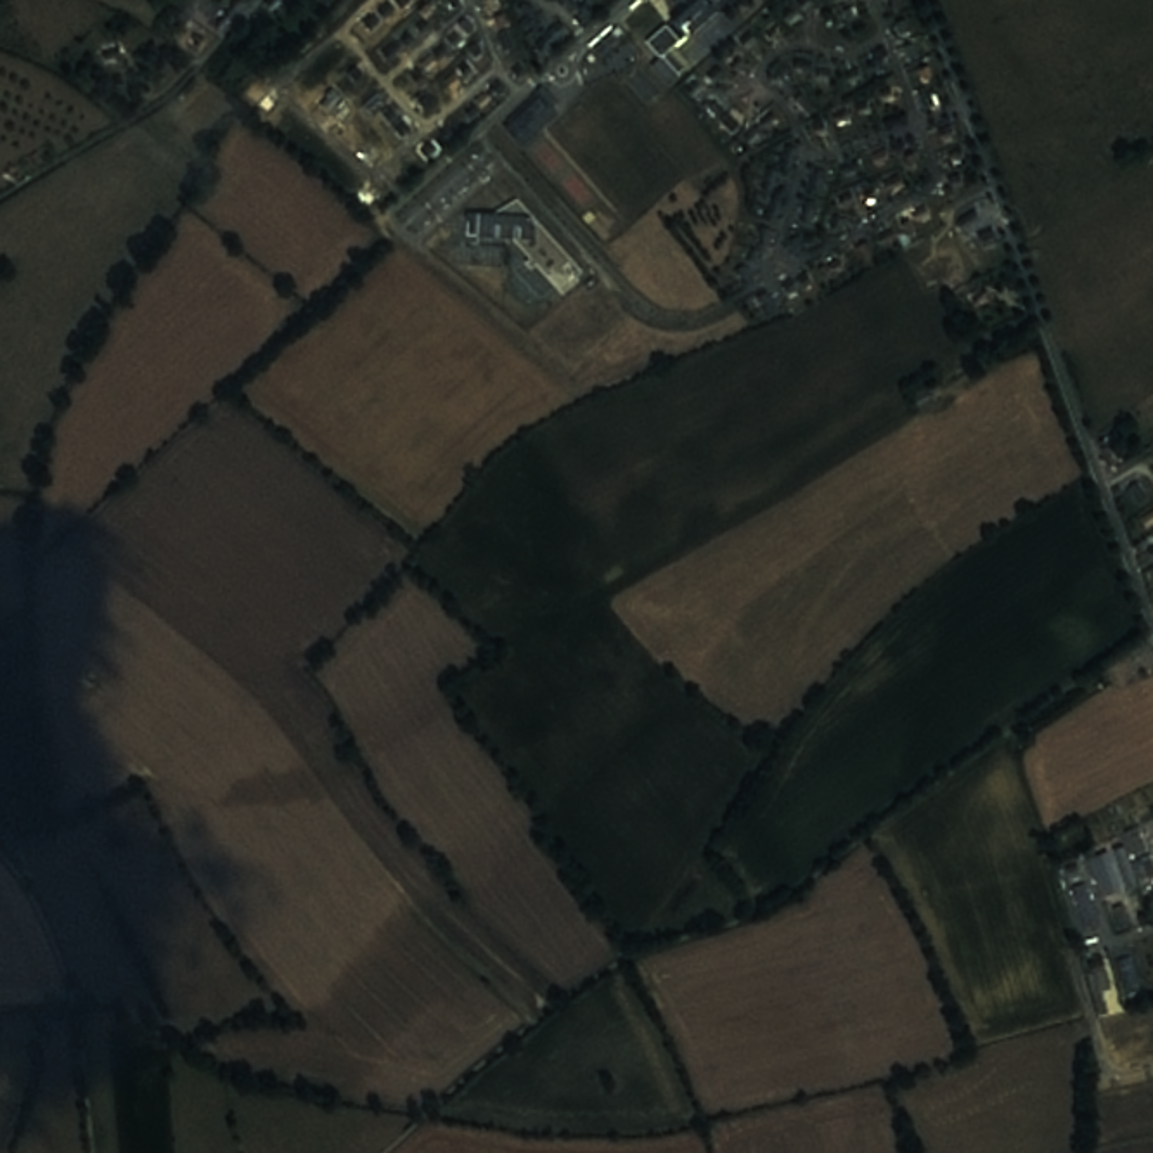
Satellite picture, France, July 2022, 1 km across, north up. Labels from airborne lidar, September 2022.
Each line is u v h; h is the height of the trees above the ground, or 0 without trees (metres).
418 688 0
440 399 0
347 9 0
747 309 10
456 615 17
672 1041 9
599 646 0
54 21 0
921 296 0
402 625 0
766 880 0
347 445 0
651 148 0
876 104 6
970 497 0
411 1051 0
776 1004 0
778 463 0
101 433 0
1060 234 0
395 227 0
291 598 0
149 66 19
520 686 0
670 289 0
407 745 0
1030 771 0
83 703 0
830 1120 0
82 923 0
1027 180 0
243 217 0
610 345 0
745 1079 0
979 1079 0
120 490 12
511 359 0
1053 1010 0
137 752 0
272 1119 0
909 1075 18
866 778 0
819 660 0
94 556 0
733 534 0
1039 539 0
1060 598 0
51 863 0
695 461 0
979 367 16
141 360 0
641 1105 0
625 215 0
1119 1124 0
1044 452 0
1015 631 0
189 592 0
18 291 0
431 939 0
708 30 0
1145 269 0
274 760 0
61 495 0
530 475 0
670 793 0
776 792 0
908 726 0
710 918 15
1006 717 0
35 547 12
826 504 0
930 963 11
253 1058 0
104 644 0
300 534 0
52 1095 0
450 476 0
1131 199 0
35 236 0
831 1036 0
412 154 0
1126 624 0
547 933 0
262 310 0
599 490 0
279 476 0
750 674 0
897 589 0
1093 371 0
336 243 0
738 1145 0
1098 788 0
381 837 0
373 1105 15
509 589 0
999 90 0
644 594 0
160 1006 10
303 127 0
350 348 0
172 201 0
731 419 0
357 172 0
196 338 0
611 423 0
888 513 0
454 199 0
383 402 0
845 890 0
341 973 0
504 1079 0
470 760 0
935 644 0
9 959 0
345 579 0
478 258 0
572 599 0
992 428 0
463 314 0
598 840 0
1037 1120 0
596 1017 0
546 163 0
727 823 10
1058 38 0
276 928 0
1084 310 0
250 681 0
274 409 0
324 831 0
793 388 0
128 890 0
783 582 0
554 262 0
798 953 0
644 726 0
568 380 0
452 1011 0
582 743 0
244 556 0
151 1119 0
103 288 0
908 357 0
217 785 0
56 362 0
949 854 0
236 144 0
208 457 0
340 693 0
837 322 0
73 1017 18
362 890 0
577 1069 0
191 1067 6
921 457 0
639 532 0
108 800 9
